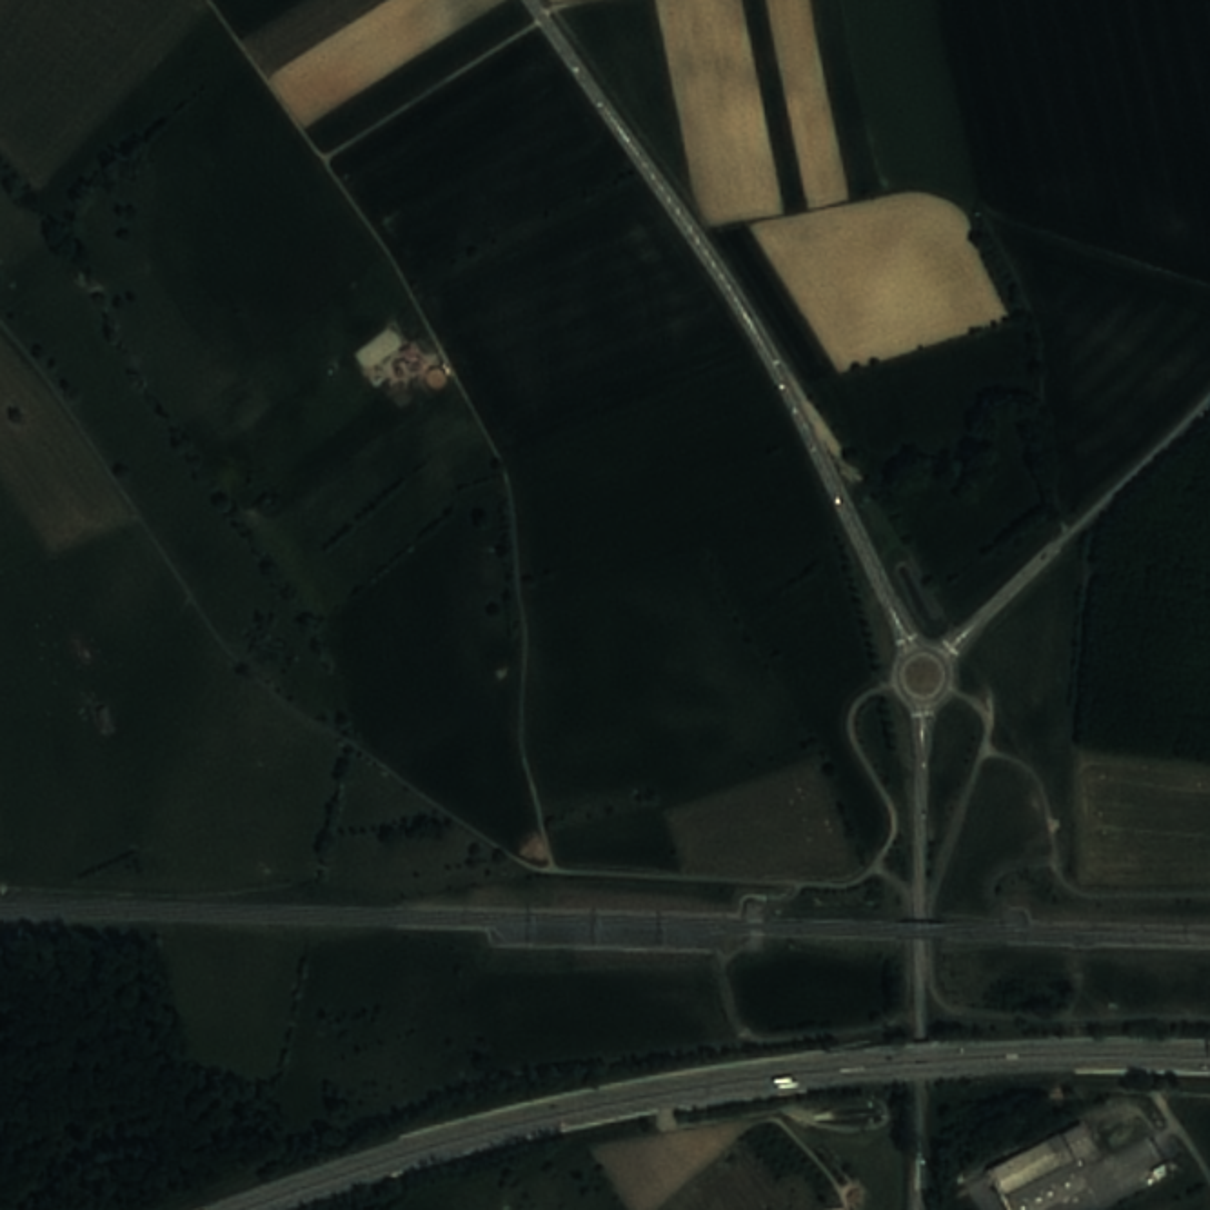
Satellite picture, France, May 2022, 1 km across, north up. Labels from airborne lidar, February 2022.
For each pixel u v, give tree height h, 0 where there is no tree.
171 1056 30
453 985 0
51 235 15
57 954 34
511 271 0
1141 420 0
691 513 0
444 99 0
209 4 0
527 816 0
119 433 0
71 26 0
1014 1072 0
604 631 0
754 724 0
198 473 13
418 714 0
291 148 0
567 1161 0
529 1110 0
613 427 0
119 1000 32
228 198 0
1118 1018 0
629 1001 0
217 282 0
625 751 0
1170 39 0
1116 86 0
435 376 0
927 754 0
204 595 0
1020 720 0
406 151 0
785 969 0
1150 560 9
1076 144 0
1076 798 0
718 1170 0
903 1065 0
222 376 0
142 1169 27
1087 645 9
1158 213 0
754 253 0
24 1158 34
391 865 0
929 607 0
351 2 0
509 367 0
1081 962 0
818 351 0
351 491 0
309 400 0
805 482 0
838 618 0
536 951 0
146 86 0
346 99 0
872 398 0
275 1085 6
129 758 0
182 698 0
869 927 0
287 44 0
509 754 0
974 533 0
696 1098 0
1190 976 0
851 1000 0
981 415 16
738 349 0
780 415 0
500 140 0
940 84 0
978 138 0
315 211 0
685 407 0
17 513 0
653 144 0
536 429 0
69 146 0
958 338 0
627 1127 0
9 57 0
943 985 0
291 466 0
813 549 0
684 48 0
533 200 0
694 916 0
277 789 0
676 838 0
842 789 0
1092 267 0
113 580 0
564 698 0
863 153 0
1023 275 0
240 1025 0
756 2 0
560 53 0
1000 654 0
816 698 0
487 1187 0
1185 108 0
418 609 0
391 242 0
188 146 0
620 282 0
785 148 0
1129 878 0
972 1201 0
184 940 0
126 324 0
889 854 0
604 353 0
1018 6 0
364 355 0
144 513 0
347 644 0
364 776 0
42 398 0
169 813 0
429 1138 0
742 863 0
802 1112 0
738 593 0
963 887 0
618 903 0
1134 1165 0
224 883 0
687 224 0
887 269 0
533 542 0
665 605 0
